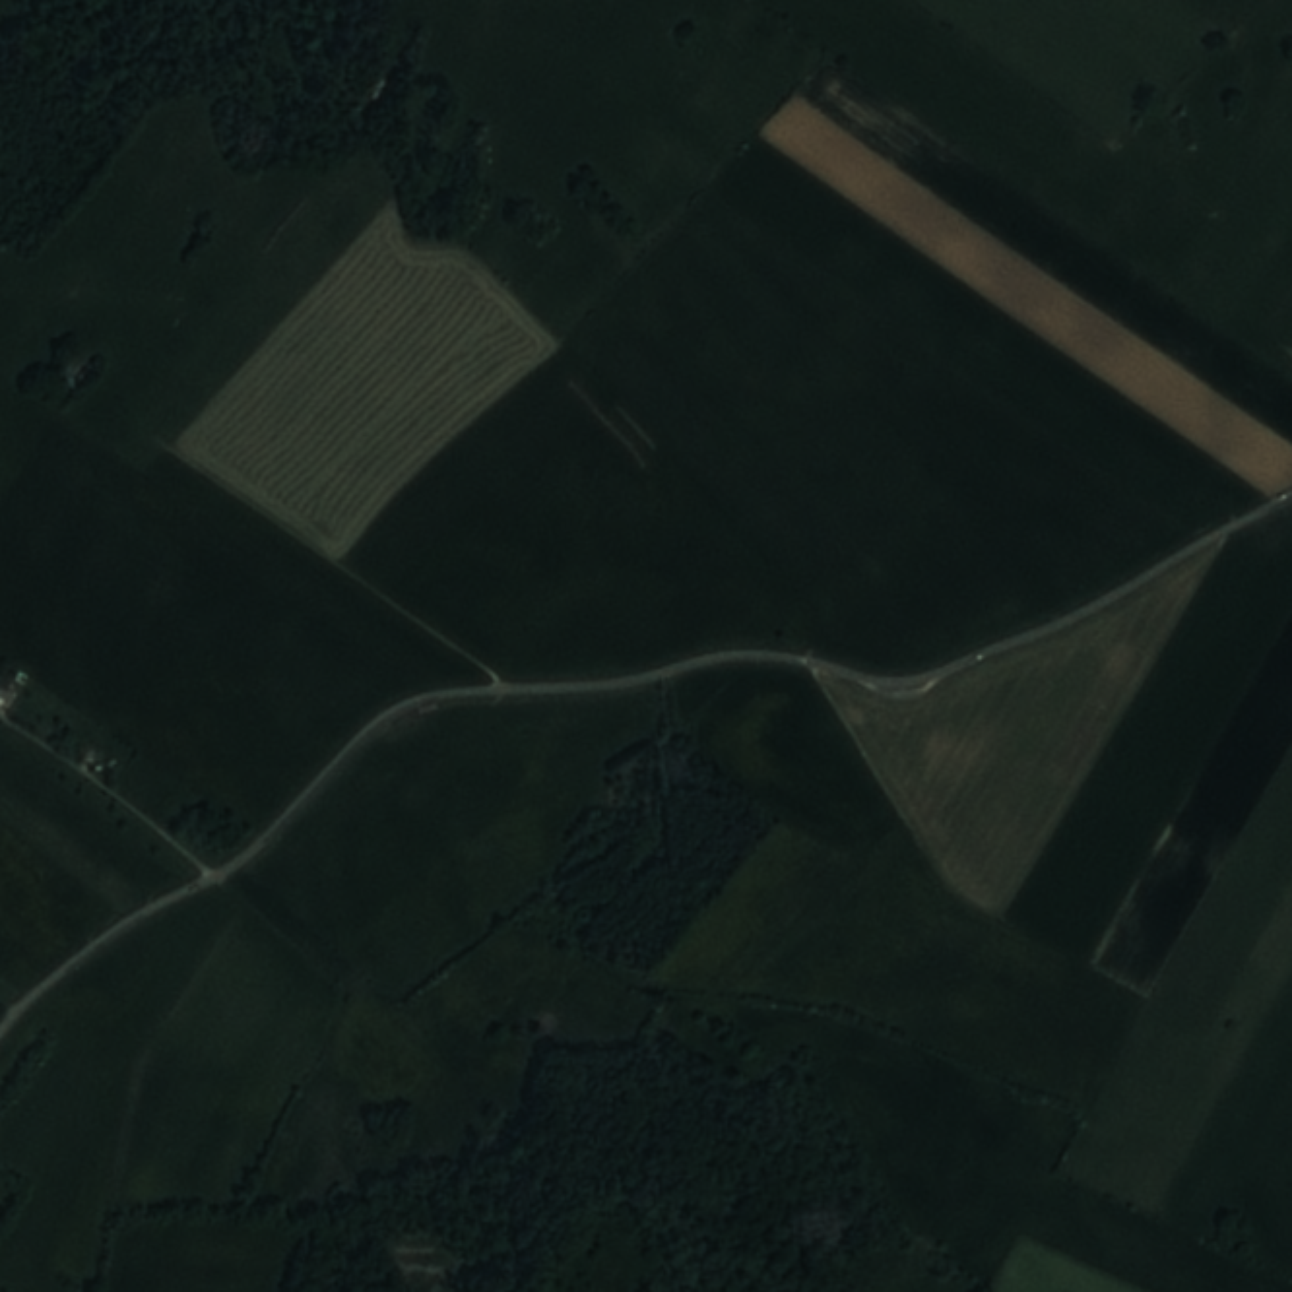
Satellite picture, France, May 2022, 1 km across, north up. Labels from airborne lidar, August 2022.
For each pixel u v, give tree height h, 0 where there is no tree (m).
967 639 0
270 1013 0
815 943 0
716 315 0
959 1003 0
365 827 0
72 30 22
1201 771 0
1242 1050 0
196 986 0
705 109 0
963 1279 11
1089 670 0
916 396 0
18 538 0
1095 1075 0
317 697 0
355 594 0
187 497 0
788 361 0
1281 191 0
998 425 0
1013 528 0
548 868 0
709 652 0
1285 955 0
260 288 0
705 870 13
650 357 0
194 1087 0
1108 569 0
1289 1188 0
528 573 0
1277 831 0
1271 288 0
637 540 0
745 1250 26
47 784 0
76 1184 0
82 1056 0
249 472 0
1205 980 0
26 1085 8
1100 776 0
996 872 0
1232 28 0
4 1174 14
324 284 0
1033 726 0
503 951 0
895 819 0
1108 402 0
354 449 0
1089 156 0
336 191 0
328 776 0
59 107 8
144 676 0
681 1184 30
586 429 0
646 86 0
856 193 0
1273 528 0
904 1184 0
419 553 0
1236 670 0
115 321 0
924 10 0
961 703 0
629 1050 16
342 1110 0
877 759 0
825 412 0
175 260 0
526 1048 0
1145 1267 0
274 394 0
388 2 29
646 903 16
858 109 0
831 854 0
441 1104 0
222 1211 9
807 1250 31
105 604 0
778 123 0
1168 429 0
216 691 0
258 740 0
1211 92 0
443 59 0
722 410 0
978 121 0
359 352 0
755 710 0
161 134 0
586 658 0
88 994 0
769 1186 21
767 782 0
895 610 0
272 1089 0
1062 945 0
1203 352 0
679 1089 23
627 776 8
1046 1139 0
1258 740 0
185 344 0
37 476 0
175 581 0
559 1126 24
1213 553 0
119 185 0
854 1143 13
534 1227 26
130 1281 0
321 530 0
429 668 0
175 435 0
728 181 0
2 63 23
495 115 0
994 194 0
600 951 14
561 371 0
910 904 0
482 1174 17
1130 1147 0
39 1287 0
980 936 0
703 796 15
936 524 0
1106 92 0
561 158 0
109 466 0
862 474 0
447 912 0
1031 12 0
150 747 0
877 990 0
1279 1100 0
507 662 0
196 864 0
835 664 0
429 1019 0
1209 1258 0
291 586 0
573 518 0
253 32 19
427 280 0
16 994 0
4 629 0
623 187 0
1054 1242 0
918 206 0
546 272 0
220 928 0
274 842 0
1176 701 0
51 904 0
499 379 0
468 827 0
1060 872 0
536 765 0
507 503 0
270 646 0
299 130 22
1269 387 0
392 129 16
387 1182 18
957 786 0
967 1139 0
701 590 0
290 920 0
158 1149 0
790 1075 14
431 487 0
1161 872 0
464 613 0
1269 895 0
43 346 0
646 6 0
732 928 0
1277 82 0
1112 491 0
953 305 0
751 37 0
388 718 0
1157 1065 0
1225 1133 0
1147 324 0
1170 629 0
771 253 0
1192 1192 0
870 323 0
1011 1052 0
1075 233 0
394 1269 19
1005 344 0
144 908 0
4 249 9
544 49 0
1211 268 0
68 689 0
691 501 0
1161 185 0
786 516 0
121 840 0
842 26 0
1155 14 0
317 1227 19
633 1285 0
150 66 19
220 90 14
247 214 0
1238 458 0
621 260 0
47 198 12
